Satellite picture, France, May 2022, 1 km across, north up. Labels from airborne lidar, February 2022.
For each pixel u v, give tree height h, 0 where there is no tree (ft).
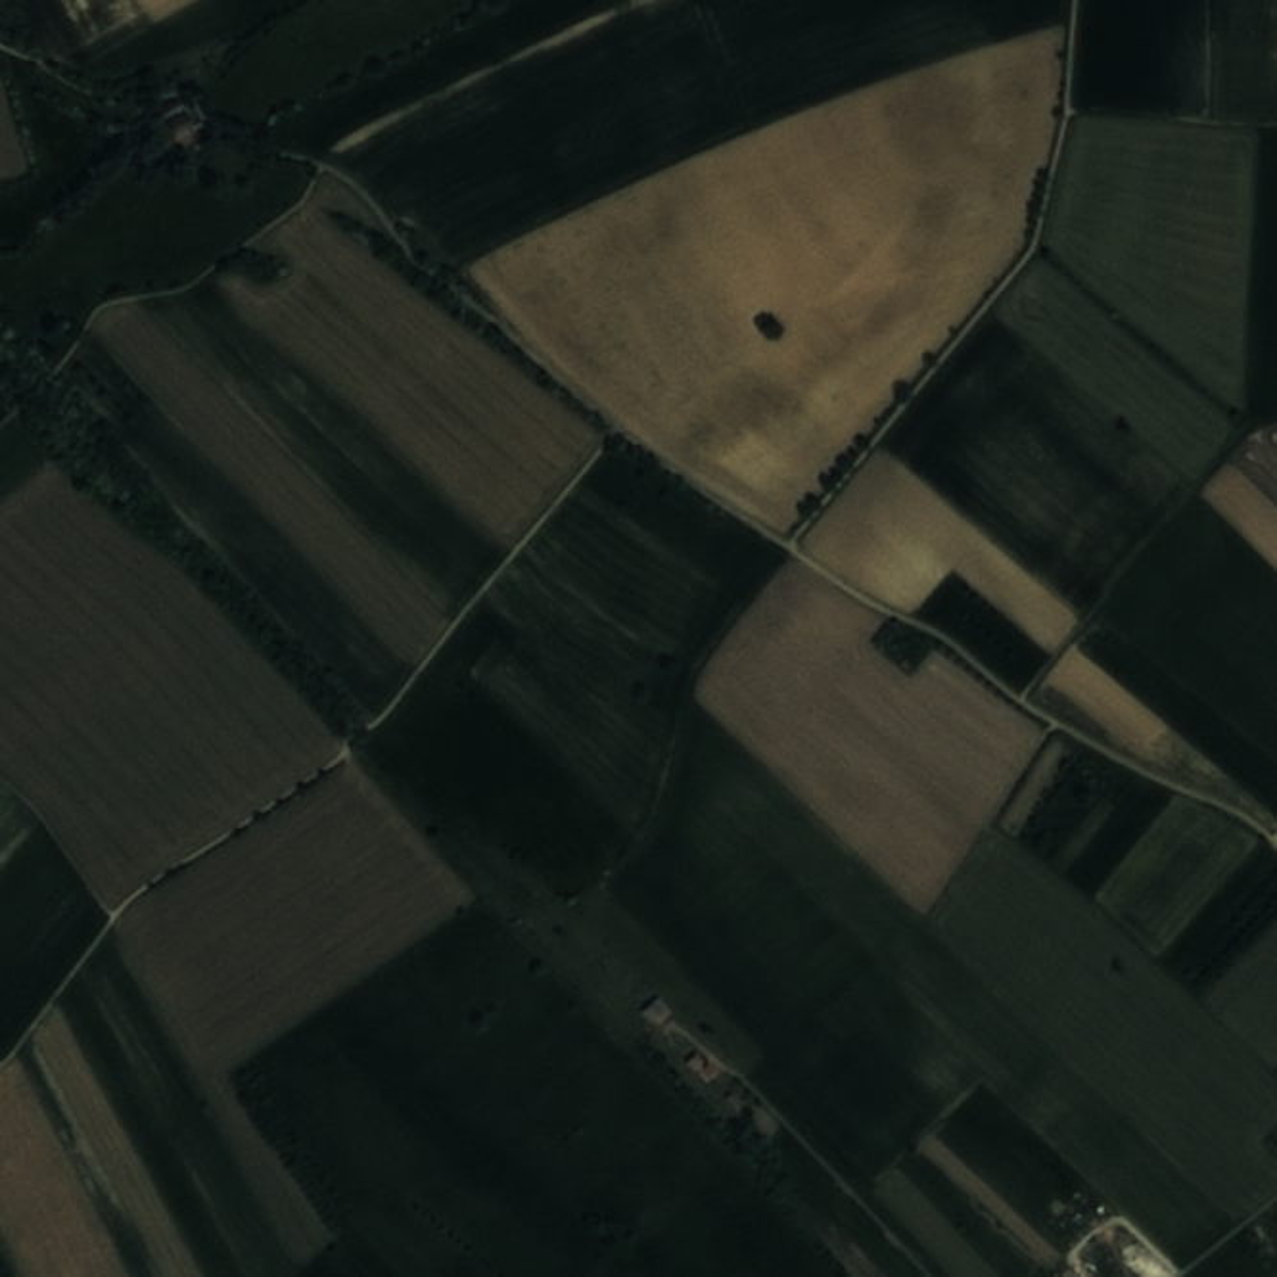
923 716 0
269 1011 0
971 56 0
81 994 0
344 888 0
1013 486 0
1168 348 0
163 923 0
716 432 0
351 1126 0
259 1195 0
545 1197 0
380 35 0
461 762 0
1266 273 0
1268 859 0
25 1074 0
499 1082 0
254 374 0
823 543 0
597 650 0
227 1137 0
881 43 0
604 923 0
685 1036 0
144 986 0
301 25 0
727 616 0
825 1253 21
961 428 0
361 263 0
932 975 0
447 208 0
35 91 19
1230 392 0
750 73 0
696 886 0
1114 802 0
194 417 0
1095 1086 0
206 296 0
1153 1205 0
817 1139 0
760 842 0
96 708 0
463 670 0
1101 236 0
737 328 0
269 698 0
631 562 0
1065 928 0
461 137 0
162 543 19
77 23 0
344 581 0
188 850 0
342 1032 0
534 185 0
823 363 0
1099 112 0
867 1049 0
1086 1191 0
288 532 0
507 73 0
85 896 0
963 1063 0
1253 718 0
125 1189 0
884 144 0
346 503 0
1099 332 0
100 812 0
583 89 0
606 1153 0
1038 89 0
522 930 0
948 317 0
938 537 0
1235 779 0
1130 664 0
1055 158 0
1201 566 0
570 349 0
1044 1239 0
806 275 0
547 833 0
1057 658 0
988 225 0
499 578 0
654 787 0
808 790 0
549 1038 0
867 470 0
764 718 0
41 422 24
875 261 0
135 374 0
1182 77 0
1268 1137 0
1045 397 0
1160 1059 0
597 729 0
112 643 0
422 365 0
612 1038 0
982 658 0
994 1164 0
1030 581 0
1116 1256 0
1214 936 0
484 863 0
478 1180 0
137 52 0
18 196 0
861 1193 0
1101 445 0
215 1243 0
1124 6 0
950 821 0
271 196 0
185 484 0
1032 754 0
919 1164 0
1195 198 0
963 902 0
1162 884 0
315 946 0
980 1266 0
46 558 0
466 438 0
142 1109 0
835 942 0
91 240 0
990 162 0
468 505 0
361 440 0
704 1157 0
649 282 0
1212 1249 0
